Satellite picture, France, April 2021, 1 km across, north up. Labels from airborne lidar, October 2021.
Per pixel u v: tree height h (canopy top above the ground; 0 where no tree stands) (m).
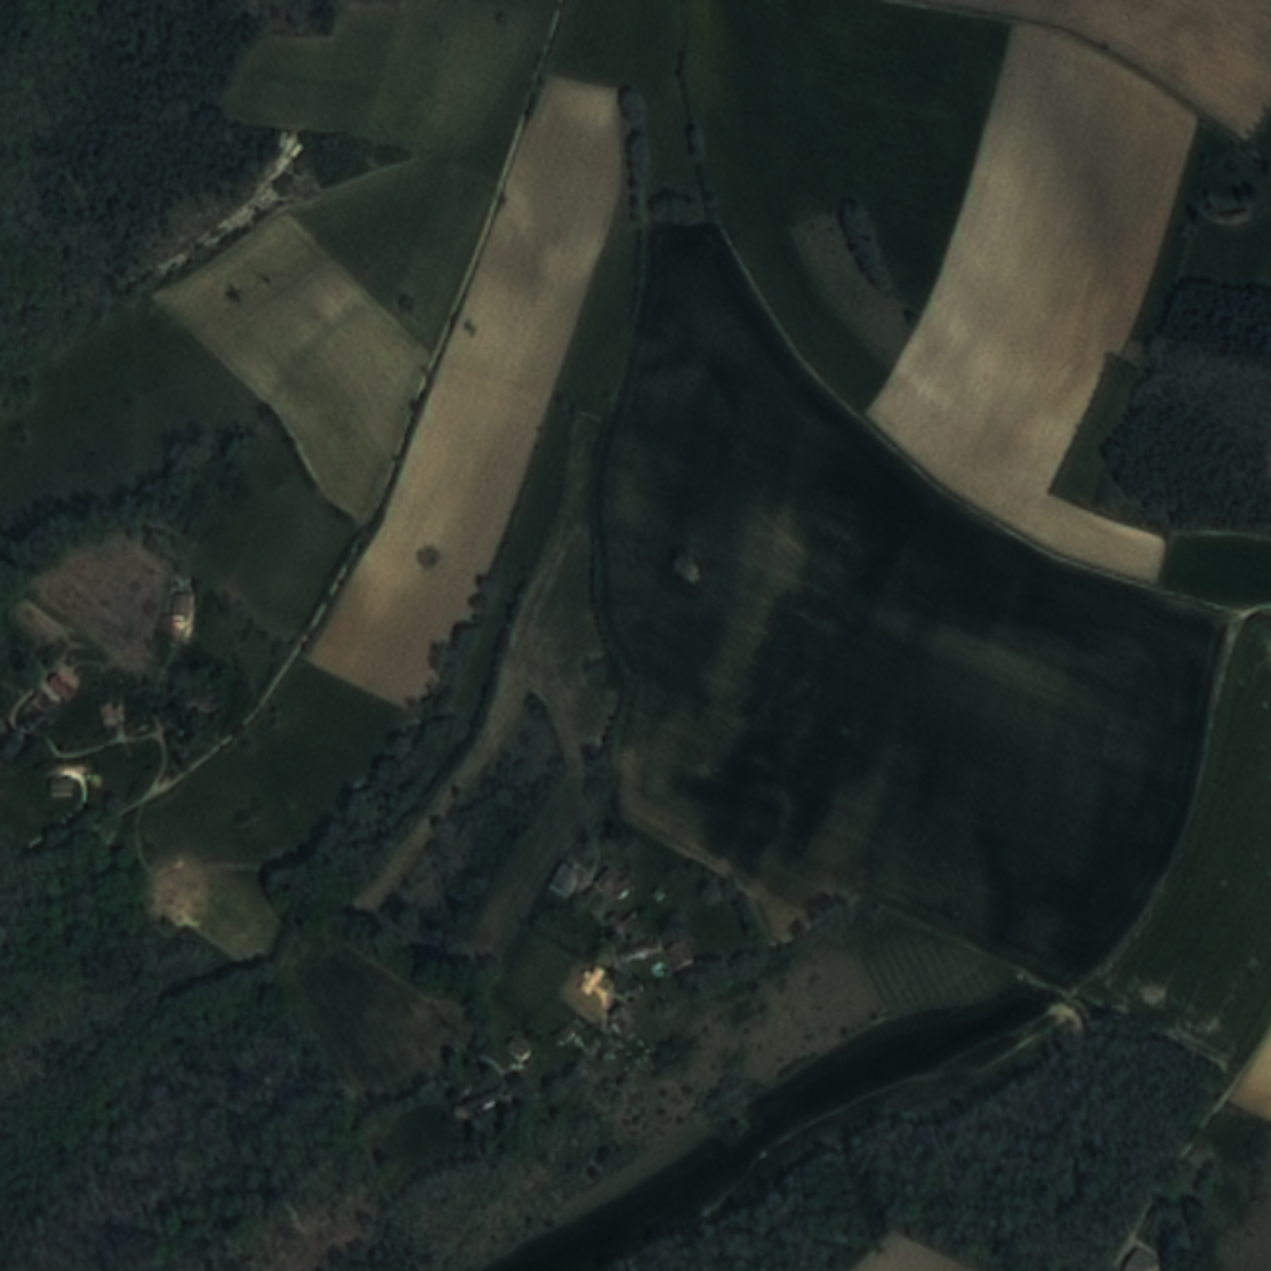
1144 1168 24
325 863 20
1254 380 20
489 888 5
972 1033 0
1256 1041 0
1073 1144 24
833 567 0
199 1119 18
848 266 0
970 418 0
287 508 0
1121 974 0
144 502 11
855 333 0
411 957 9
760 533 0
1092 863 0
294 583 0
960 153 0
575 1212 0
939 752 0
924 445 0
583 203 0
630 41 0
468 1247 13
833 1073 0
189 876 0
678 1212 0
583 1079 16
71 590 0
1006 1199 19
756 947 13
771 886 0
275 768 0
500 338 0
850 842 0
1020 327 0
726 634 0
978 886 0
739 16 0
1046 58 0
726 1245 22
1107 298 0
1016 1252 23
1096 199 0
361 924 18
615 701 0
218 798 0
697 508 0
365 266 0
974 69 0
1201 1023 0
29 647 0
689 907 0
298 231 0
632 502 0
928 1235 16
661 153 0
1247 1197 0
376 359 0
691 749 0
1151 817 0
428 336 0
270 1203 13
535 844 0
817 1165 16
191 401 0
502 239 0
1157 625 0
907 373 0
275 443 0
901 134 0
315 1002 0
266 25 9
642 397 0
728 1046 0
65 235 21
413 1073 0
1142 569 0
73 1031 16
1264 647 0
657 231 0
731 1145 0
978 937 0
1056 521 0
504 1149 9
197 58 14
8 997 24
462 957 14
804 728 0
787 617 0
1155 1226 8
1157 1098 22
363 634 0
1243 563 0
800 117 0
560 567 0
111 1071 23
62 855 20
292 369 0
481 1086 11
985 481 0
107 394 0
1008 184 0
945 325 0
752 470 0
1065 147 0
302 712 0
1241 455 17
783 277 0
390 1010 0
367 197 0
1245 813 0
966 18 0
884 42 0
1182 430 21
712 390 0
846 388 0
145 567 0
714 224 0
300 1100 18
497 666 7
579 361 0
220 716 9
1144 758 0
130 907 20
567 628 0
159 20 19
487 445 0
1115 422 0
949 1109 0
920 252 0
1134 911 0
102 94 14
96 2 17
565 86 0
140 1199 15
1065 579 0
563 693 0
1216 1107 11
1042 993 0
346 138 6
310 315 0
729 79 0
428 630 0
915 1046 0
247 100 0
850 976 0
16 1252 17
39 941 22
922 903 0
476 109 0
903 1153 18
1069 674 0
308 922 19
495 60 0
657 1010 11
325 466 0
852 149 0
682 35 0
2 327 19
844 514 0
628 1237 0
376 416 0
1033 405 0
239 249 0
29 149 16
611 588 0
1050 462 0
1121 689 0
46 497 0
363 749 0
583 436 0
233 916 0
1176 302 11
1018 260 0
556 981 0
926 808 0
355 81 0
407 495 0
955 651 0
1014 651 0
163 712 12
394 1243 12
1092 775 0
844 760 0
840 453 0
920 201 0
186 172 15
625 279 0
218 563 0
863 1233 17
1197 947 0
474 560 0
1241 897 0
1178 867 0
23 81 19
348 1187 22
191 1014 26
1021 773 0
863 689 0
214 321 0
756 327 0
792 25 0
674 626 0
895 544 0
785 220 0
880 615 0
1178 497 17
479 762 0
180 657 0
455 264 0
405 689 0
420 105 0
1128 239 0
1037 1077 15
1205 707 0
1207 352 14
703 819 0
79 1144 21
